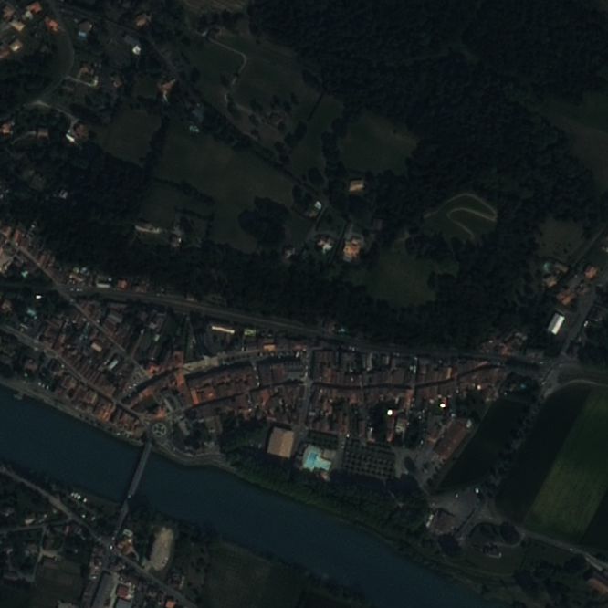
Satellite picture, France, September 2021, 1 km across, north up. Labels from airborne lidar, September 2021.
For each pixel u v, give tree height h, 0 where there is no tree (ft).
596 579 0
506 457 37
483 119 31
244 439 68
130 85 92
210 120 71
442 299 39
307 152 0
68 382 0
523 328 28
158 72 45
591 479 0
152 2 0
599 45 59
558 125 0
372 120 0
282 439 0
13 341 45
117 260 47
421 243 66
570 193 56
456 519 0
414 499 95
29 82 73
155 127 0
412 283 0
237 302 55
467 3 72
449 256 76
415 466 43
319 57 73
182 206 0
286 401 0
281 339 0
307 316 43
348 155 0
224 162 0
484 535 38
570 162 92
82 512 28
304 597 25
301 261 52
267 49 0
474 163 77
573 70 77
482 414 0
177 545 25
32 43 0
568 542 0
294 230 0
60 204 49
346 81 24
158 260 49
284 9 74
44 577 0
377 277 0
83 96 0
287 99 0
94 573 0
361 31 83
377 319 56
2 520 30
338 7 79
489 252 75
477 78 74
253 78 0
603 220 63
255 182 0
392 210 39
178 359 0
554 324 0
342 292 63
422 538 82
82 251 36
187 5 0
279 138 0
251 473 105
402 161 0
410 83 87
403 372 0
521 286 0
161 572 0
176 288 33
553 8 83
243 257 32
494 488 40
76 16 0
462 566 0
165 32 77
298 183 23
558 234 0
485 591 39
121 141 0
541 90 66
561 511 0
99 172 81
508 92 113
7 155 26
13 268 36
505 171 102
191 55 0
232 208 0
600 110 0
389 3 42
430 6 57
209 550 29
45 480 33
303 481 72
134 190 80
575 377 0
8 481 44
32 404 0
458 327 20
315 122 0
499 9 70
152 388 0
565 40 86
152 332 24
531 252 38
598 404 0
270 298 30
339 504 106
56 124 44
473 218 0
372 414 26
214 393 0
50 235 26
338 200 41
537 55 74
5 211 20
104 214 94
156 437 0
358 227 0
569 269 41
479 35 77
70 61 0
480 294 62
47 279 25
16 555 18
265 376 0
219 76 0
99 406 0
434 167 83
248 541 0
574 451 0
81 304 0
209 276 37
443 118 94
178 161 0
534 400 50
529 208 68
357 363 26
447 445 0
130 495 0
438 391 0
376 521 89
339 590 53
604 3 0
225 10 0
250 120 29
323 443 21
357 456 21
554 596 107
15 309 48
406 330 63
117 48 0
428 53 84
